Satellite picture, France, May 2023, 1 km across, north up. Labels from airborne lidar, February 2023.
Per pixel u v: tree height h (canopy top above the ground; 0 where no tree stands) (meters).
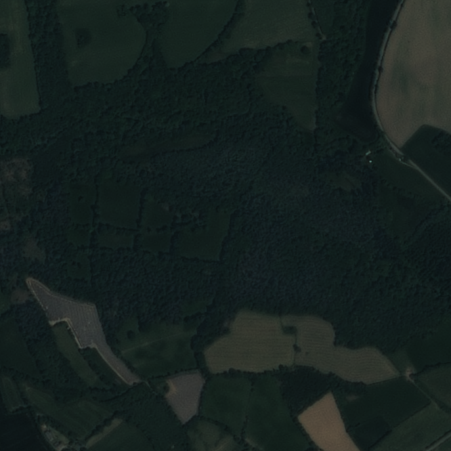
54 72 19
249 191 18
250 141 16
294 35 0
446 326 0
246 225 19
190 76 18
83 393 12
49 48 22
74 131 10
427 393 7
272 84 0
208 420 6
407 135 0
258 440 0
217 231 0
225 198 24
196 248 0
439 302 27
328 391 7
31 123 19
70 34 0
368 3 11
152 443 7
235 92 19
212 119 10
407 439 0
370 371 0
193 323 14
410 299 18
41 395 0
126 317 22
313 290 17
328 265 18
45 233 14
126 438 0
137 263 16
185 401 0
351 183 0
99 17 0
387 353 17
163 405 7
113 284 12
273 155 18
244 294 20
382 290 24
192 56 0
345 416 7
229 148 23
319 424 0
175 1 0
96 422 0
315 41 0
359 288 19
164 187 18
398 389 0
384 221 9
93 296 16
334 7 14
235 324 0
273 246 14
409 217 0
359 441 0
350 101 0
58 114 21
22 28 0
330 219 17
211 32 0
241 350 0
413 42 0
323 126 12
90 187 0
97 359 0
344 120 0
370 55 0
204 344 15
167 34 0
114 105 16
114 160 16
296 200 9
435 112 0
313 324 0
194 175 15
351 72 12
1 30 0
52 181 11
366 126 0
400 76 0
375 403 0
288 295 19
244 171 17
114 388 13
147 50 10
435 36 0
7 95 0
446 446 0
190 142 0
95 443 0
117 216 0
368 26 0
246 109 9
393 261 37
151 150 0
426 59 0
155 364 0
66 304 0
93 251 22
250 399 0
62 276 19
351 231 20
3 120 21
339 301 18
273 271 14
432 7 0
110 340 16
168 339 0
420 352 0
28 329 20
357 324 18
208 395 0
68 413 0
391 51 0
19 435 0
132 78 13
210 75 21
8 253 22
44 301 0
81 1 0
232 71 8
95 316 0
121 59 0
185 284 19
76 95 20
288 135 18
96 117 13
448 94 0
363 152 11
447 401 0
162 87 19
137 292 22
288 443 0
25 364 0
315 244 16
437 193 0
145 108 19
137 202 0
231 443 0
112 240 0
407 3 0
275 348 0
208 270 19
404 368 0
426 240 12
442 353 0
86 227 9
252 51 7
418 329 18
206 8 0
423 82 0
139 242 15
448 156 13
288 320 0
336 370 0
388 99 0
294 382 6
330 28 8
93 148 18
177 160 12
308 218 9
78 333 0
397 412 0
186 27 0
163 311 22
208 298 19
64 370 10
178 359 0
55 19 17
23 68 0
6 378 0
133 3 0
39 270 21
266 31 0
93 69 0
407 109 0
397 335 19
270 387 0
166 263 21
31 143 17
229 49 0
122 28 0
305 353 0
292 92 0
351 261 10
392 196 0
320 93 21
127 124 9
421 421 0
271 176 19
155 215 0
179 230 21
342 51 8
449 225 13
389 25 11
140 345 0
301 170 15
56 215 23
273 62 0
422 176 0
